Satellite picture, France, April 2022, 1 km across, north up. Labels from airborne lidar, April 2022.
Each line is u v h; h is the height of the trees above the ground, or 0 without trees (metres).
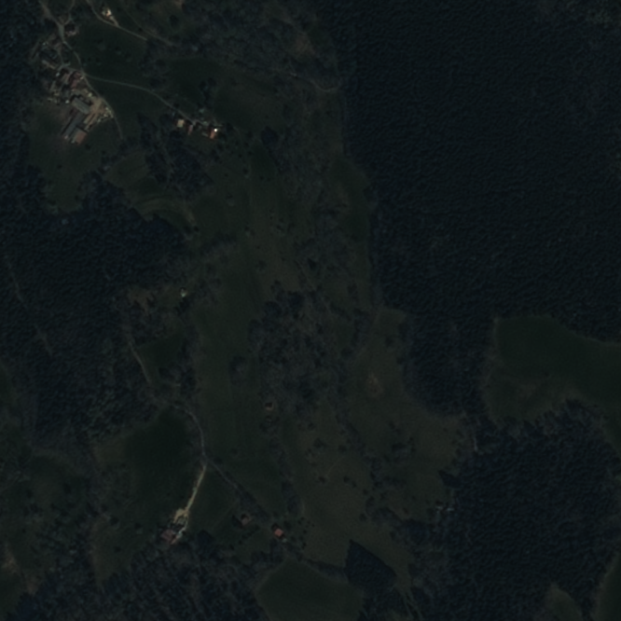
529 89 22
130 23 0
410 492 0
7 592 0
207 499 0
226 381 0
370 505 13
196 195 25
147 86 0
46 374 19
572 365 0
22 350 24
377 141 22
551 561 22
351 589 0
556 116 20
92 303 19
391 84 26
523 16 22
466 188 22
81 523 11
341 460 0
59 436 23
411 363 23
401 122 19
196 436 18
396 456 9
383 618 25
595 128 24
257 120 0
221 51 25
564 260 25
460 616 32
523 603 24
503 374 0
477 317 24
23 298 20
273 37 31
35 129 0
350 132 23
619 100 20
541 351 0
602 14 28
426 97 20
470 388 21
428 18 21
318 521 0
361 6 23
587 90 21
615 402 0
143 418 20
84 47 0
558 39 26
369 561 27
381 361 0
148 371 0
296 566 0
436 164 24
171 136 9
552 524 27
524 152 19
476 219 22
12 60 22
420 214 23
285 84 25
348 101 23
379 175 28
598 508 26
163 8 0
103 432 28
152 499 0
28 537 0
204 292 18
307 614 0
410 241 25
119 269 21
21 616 0
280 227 11
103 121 0
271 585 0
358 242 15
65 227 24
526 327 0
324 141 20
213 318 0
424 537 26
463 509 16
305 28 26
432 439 0
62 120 0
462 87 20
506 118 22
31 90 17
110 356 19
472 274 28
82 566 15
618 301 23
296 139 26
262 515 21
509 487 28
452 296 23
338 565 0
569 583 24
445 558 24
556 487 11
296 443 0
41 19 18
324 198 14
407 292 25
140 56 0
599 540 27
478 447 8
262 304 0
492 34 22
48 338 18
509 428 23
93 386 19
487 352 22
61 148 0
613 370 0
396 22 21
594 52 27
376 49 21
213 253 21
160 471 0
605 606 0
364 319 15
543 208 20
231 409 0
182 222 0
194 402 17
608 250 26
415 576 21
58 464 0
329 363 16
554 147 20
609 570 14
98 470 19
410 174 24
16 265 21
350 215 0
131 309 21
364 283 0
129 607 10
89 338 16
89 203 14
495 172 20
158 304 14
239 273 0
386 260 24
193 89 0
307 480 0
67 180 0
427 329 21
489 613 27
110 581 0
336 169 0
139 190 0
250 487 0
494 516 26
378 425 0
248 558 0
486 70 23
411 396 23
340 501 0
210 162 5
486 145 23
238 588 25
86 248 22
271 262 0
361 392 0
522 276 24
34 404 28
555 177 19
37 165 0
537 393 0
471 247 21
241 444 0
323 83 26
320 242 17
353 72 23
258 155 0
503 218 23
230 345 0
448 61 23
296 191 10
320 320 16
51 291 22
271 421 9
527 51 22
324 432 0
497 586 24
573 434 17
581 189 20
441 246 23
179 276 21
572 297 26
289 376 22
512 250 24
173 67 0
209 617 7
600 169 18
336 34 25
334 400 20
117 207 23
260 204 0
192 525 0
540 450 26
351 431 18
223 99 0
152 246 30
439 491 0
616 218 22
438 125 23
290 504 13
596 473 24
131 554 0
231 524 0
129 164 0
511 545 26
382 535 0
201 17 23
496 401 0
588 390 0
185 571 7
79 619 10
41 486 0
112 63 0
